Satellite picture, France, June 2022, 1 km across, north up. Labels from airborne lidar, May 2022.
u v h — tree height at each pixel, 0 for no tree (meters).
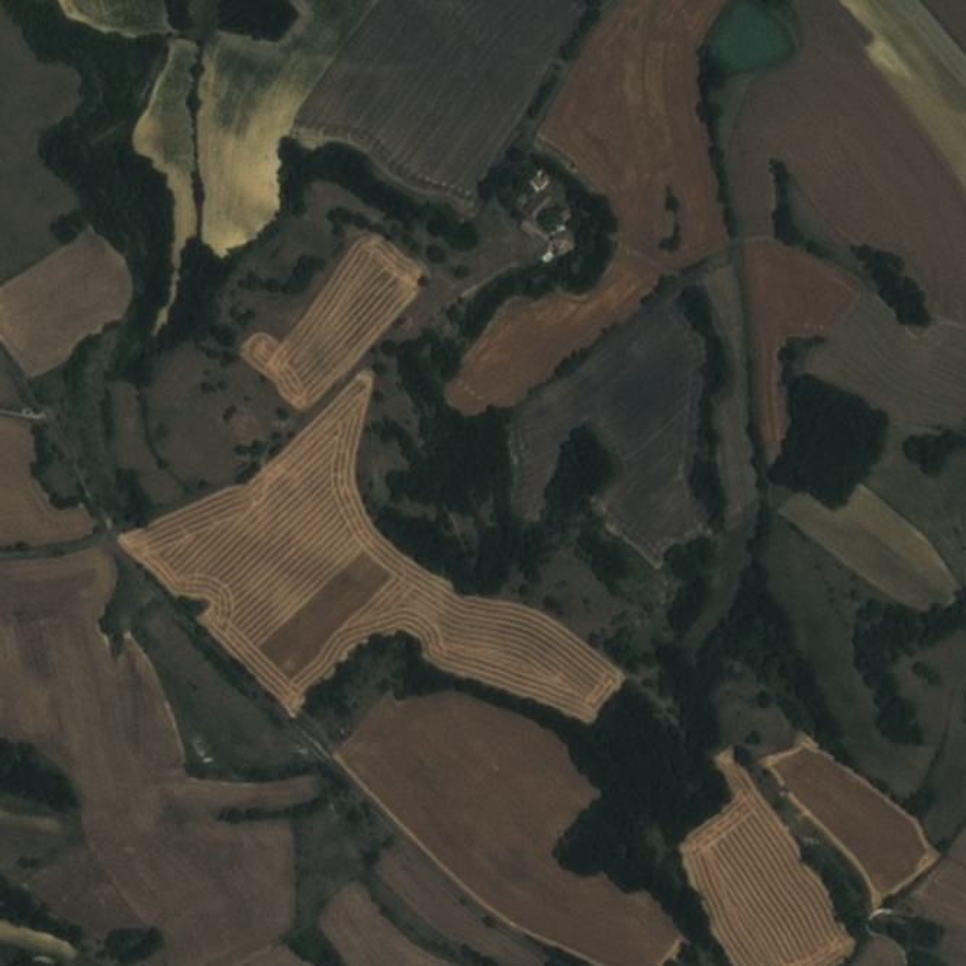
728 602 0
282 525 0
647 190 0
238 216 0
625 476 0
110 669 0
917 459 11
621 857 15
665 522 0
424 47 0
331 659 0
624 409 0
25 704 0
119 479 9
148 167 20
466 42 0
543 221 17
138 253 7
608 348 0
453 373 13
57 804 13
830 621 0
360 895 0
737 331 0
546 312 0
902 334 0
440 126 0
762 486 12
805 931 0
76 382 9
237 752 0
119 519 7
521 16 0
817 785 0
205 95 0
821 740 15
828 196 0
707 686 16
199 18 0
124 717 0
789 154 0
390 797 0
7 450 0
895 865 0
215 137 0
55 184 0
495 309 12
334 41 0
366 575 0
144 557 0
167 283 13
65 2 0
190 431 0
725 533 6
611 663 0
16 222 0
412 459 11
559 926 0
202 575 0
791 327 0
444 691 7
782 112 0
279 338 0
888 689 15
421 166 0
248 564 0
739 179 0
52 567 0
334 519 0
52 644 0
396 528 16
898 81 0
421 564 12
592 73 0
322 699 9
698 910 15
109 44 14
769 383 0
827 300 0
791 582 0
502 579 13
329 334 0
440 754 0
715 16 0
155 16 0
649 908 0
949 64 0
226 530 0
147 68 7
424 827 0
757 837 0
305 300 0
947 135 0
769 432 0
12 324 0
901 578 0
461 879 0
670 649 19
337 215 10
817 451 18
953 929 0
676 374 0
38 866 8
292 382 0
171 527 0
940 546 0
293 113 0
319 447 0
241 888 0
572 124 0
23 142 0
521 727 0
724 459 0
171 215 18
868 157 0
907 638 11
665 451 0
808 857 11
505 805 0
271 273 0
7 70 0
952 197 0
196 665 0
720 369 13
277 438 10
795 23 0
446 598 0
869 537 0
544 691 0
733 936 0
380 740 0
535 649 0
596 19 13
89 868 0
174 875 0
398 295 0
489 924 11
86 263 0
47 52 12
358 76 0
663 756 12
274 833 0
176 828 0
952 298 0
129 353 8
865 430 17
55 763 0
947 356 0
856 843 0
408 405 0
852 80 0
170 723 0
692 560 16
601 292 0
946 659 0
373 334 0
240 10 21
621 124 0
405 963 0
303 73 0
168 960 0
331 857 0
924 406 0
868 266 14
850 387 0
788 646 13
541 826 0
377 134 0
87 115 8
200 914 0
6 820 0
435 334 10
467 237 12
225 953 0
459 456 17
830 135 0
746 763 11
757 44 0
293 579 0
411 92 0
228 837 0
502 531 13
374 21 0
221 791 0
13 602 0
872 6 0
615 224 14
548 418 0
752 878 0
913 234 0
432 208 6
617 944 0
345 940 0
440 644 0
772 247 0
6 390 0
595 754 18
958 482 0
